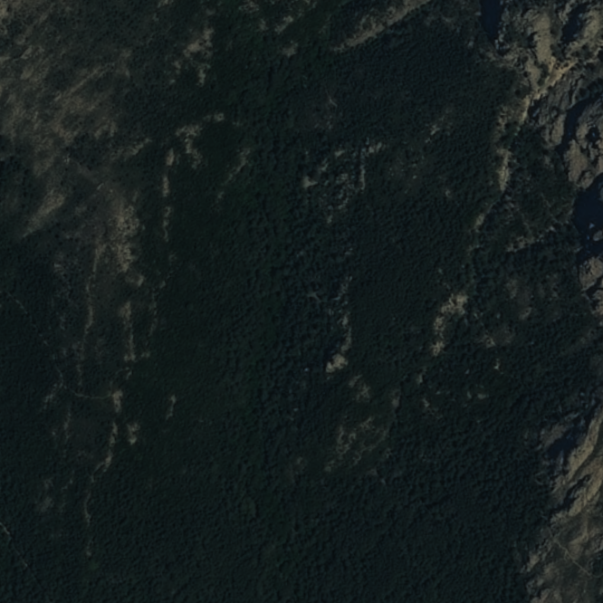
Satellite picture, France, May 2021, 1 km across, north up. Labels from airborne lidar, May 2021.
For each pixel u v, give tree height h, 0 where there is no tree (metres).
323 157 6
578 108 18
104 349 6
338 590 22
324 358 6
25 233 0
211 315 12
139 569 18
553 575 0
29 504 7
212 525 18
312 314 16
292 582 9
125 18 11
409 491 18
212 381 11
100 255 0
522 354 10
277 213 31
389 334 24
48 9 0
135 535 20
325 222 10
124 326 6
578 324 11
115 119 0
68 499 6
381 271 18
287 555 17
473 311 17
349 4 7
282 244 27
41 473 6
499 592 20
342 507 26
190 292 11
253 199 13
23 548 17
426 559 21
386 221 9
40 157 0
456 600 19
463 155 11
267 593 18
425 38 9
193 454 8
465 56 10
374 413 7
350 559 15
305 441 14
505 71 9
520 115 0
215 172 8
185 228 8
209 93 8
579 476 0
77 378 6
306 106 12
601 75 0
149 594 16
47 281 9
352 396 8
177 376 10
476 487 23
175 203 7
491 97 12
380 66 10
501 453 12
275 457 16
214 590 14
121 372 6
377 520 26
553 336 12
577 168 0
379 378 18
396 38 22
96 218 0
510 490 14
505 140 27
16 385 6
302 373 7
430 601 25
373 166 10
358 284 13
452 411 14
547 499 9
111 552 22
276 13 6
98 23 7
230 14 9
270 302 25
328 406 8
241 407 10
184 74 7
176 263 7
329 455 7
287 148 14
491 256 11
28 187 10
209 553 22
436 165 10
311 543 21
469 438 24
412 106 8
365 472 8
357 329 13
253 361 12
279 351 20
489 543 20
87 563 8
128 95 8
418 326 23
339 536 23
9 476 19
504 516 23
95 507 16
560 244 17
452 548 21
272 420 22
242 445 12
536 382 12
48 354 9
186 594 16
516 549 17
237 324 20
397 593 17
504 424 16
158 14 8
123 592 22
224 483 6
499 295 10
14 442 11
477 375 9
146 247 9
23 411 7
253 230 21
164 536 16
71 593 14
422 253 15
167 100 10
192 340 11
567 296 6
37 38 0
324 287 22
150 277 8
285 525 24
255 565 18
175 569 23
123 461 15
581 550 0
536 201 7
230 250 16
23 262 8
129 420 7
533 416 17
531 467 14
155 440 11
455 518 25
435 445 24
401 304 19
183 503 8
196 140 9
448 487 17
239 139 7
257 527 22
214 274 13
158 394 11
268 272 12
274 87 21
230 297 9
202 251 8
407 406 20
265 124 26
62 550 7
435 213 17
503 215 15
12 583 14
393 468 26
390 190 13
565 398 18
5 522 22
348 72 7
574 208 16
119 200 0
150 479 10
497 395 14
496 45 8
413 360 15
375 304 19
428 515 23
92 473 11
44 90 0
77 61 6
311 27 11
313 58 15
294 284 18
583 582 0
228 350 6
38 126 0
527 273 14
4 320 9
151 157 10
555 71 0
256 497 22
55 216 0
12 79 0
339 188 8
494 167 16
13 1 0
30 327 8
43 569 21
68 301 8
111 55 6
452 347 23
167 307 8
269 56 25
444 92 8
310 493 25
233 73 14
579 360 13
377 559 19
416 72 9
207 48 7
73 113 0
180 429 9
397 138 7
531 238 15
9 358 9
